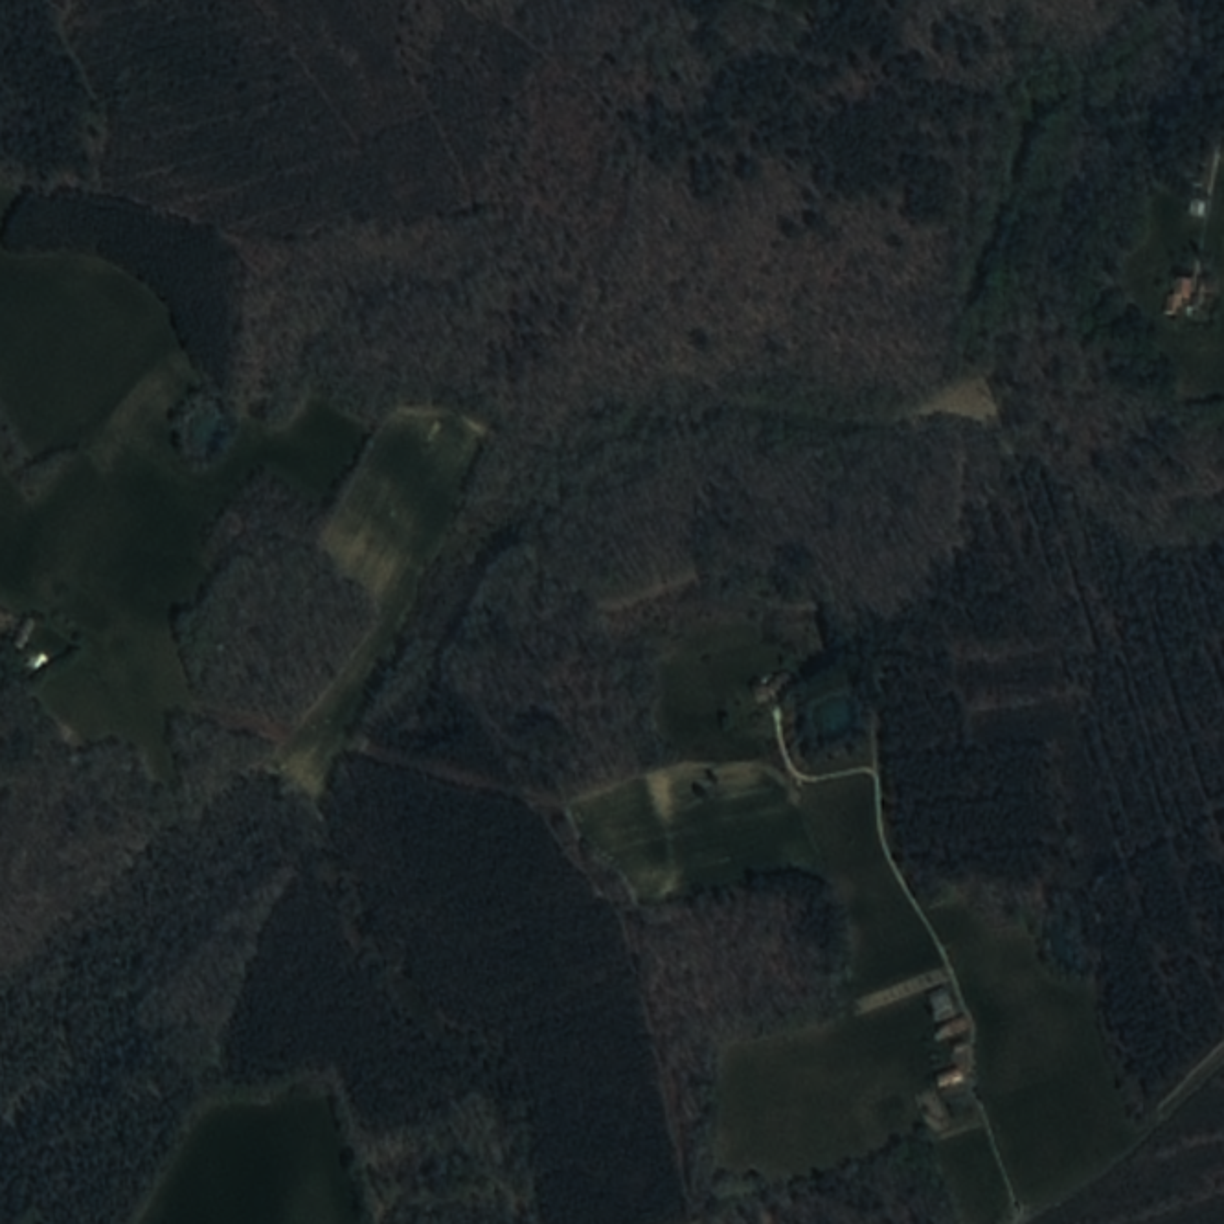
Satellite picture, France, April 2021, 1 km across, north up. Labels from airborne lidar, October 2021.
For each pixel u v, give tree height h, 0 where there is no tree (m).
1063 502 17
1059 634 16
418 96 9
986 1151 0
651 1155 15
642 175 14
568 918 9
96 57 8
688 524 18
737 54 13
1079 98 25
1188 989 18
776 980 13
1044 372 10
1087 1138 0
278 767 0
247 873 19
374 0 7
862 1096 0
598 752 16
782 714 12
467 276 11
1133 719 14
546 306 9
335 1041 17
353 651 16
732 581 20
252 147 10
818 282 10
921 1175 14
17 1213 21
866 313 15
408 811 11
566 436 21
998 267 24
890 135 23
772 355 17
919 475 22
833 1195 18
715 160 10
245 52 9
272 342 19
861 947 0
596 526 21
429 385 16
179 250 13
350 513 0
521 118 8
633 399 18
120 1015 14
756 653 0
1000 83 23
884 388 12
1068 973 8
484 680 15
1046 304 13
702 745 0
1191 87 17
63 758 19
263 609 22
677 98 13
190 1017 22
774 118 16
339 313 23
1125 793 14
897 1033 0
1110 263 18
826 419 17
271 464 0
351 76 7
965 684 9
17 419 0
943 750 13
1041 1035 0
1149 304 0
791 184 12
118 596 0
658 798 0
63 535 0
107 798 21
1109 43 21
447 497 0
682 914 12
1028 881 19
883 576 20
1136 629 17
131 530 0
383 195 8
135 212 16
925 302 16
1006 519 16
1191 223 0
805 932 13
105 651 0
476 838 14
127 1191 15
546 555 14
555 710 12
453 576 6
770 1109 0
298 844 16
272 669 20
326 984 16
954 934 0
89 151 11
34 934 14
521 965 16
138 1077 19
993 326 28
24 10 22
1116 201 20
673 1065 13
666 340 18
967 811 21
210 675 19
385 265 12
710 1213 16
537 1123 16
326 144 8
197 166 8
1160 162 24
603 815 0
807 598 22
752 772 0
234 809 17
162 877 18
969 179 17
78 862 20
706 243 9
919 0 13
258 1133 0
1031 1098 0
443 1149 30
